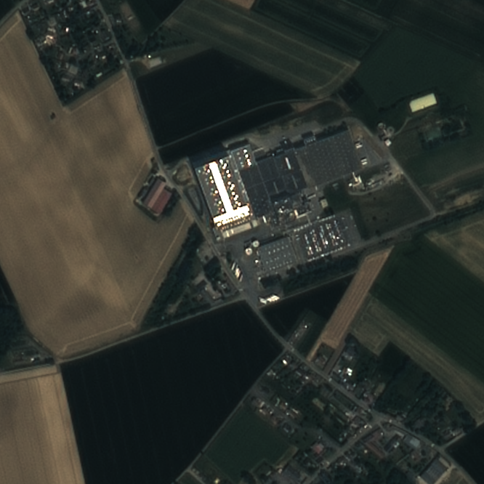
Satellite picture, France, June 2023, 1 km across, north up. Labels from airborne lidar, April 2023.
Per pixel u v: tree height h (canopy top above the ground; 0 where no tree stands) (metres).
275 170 0
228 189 0
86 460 0
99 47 0
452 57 0
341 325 0
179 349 0
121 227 0
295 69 0
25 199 0
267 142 0
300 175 0
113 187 0
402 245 0
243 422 0
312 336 0
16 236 0
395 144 0
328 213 11
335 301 0
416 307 0
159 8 0
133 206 0
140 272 0
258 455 0
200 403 0
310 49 0
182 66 0
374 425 0
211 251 0
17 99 0
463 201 0
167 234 0
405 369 11
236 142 0
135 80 0
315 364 0
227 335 0
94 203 0
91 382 0
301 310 0
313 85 0
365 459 0
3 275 0
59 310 0
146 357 0
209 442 0
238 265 0
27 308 0
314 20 0
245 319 0
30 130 0
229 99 0
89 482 0
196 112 0
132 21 0
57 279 0
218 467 0
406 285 0
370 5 0
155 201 0
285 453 0
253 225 0
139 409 0
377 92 0
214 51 0
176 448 0
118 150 0
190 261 16
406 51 0
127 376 0
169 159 0
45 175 0
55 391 0
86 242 0
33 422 0
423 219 0
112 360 0
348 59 0
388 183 0
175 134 0
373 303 0
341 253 0
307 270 10
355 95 0
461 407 14
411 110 0
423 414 7
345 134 0
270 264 0
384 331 0
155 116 0
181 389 0
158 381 0
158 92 0
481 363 0
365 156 0
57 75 8
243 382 0
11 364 0
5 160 0
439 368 0
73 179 0
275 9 0
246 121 0
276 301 0
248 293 0
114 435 0
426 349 0
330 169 0
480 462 0
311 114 0
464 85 0
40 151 0
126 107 0
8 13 0
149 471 0
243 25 0
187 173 0
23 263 0
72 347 0
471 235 0
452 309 0
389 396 8
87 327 0
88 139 0
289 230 0
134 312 0
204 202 0
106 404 0
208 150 0
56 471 0
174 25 0
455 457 0
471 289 0
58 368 0
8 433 0
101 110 0
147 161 0
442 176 0
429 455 0
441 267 0
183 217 0
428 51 0
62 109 0
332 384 0
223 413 0
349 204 0
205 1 0
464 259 0
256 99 0
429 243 0
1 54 0
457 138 10
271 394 0
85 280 0
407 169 0
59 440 0
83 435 0
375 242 0
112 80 0
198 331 0
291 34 0
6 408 0
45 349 0
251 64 0
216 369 0
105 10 0
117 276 0
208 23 0
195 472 0
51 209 0
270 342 0
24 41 0
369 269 0
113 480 0
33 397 0
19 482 0
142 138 0
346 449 0
